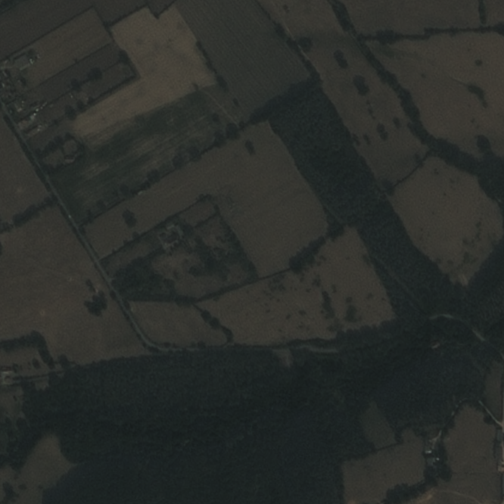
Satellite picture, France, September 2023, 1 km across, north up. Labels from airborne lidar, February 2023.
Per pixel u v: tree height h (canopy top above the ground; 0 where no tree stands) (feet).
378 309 0
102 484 89
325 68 0
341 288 0
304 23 0
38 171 41
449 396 59
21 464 30
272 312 0
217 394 89
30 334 0
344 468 0
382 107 0
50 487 0
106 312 0
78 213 0
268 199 0
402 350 93
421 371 102
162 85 0
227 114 0
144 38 0
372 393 44
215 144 29
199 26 0
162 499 81
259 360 67
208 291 0
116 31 0
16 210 0
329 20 0
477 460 0
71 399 36
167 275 0
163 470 73
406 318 93
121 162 0
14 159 0
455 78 0
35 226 0
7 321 0
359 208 71
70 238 0
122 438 22
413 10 0
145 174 0
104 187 0
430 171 0
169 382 76
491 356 39
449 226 0
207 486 73
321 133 84
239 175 0
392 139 0
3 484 0
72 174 0
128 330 0
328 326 0
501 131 0
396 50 0
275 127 55
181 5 0
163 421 86
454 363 61
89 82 27
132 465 94
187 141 0
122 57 55
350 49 0
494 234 0
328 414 51
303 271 0
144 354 0
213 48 0
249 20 0
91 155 0
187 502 73
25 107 0
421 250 0
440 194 0
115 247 0
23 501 0
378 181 0
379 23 0
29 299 0
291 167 0
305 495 73
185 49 0
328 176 20
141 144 0
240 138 0
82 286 0
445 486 0
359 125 0
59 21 0
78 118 0
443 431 30
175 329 0
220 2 0
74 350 0
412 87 0
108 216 0
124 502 86
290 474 90
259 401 63
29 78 0
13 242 0
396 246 77
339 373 46
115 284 41
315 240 0
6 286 0
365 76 0
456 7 0
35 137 0
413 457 0
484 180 57
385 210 45
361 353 68
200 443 38
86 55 0
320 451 95
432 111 0
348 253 0
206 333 0
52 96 0
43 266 0
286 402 31
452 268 0
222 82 49
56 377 43
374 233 72
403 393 93
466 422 0
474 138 0
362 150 0
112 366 46
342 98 0
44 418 47
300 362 70
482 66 0
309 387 61
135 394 71
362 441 58
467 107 0
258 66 0
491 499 0
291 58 0
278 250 0
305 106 74
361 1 0
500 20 0
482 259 0
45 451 0
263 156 0
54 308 0
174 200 0
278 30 51
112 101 0
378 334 68
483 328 53
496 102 0
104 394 81
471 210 0
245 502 78
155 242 0
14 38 0
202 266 44
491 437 0
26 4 0
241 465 58
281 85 0
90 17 0
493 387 0
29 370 0
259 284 0
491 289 97
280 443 57
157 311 0
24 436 22
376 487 0
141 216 0
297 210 0
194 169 0
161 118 0
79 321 0
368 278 0
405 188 0
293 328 0
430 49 0
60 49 0
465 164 54
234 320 0
